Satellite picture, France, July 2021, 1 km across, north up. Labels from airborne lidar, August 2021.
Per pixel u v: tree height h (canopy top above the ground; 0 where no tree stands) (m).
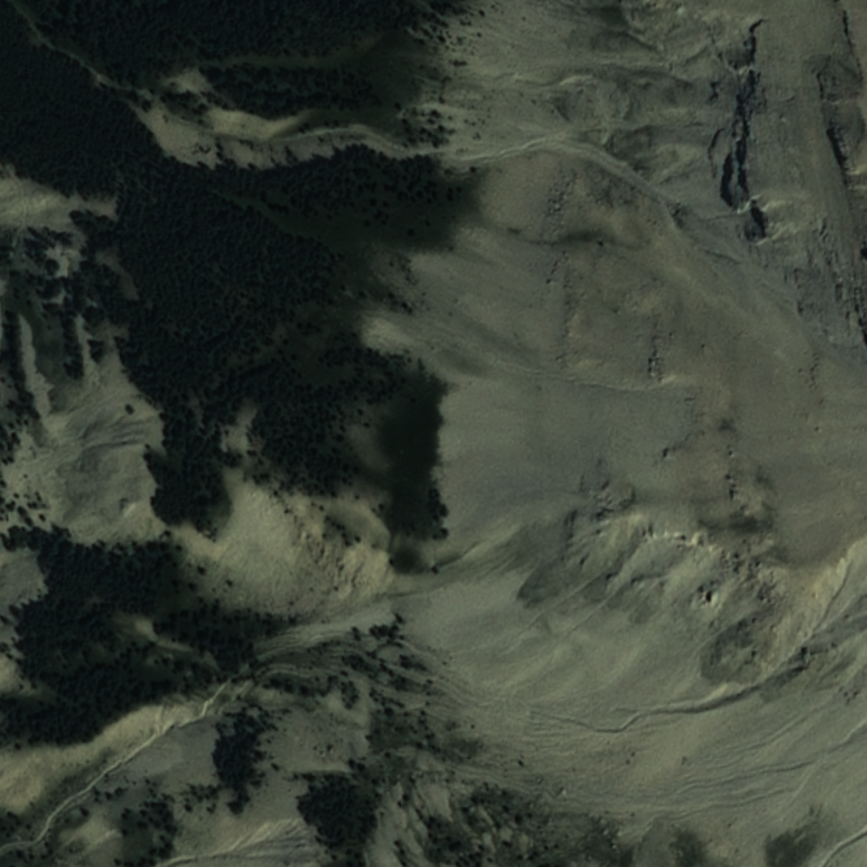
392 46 0
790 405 0
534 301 0
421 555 0
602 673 0
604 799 0
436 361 0
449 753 0
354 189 13
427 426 0
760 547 0
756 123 0
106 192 10
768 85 0
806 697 0
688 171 0
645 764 0
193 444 12
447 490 0
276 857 0
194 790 8
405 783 0
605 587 0
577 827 0
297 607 0
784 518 0
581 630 0
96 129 22
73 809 0
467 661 0
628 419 0
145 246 16
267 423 8
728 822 0
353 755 0
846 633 0
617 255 0
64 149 24
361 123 0
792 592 0
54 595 12
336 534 0
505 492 0
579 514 0
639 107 0
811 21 0
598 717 0
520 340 0
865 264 0
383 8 8
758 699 0
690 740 0
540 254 0
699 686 0
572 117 0
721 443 0
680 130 0
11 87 21
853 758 0
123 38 24
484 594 0
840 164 0
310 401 17
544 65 0
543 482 0
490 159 0
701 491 0
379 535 0
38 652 15
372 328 0
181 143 0
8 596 0
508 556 0
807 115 0
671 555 0
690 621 0
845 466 0
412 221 0
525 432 0
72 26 24
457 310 0
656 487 0
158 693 13
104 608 12
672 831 0
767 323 0
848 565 0
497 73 0
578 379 0
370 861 0
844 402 0
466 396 0
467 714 0
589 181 0
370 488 0
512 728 0
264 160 0
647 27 0
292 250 15
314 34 7
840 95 0
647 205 0
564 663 0
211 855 0
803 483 0
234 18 21
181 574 0
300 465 11
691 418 0
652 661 0
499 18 0
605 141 0
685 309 0
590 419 0
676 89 0
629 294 0
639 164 0
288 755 0
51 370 0
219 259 20
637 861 0
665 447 0
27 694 0
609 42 0
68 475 0
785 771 0
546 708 0
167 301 16
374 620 0
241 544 0
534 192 0
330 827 11
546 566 0
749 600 0
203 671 11
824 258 0
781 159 0
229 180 18
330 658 0
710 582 0
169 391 16
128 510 0
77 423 0
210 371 11
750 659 0
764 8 0
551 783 0
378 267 0
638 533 0
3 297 0
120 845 0
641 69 0
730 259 0
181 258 20
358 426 0
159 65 18
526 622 0
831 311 0
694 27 0
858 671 0
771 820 0
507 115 0
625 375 0
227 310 8
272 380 12
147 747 0
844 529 0
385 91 0
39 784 0
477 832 0
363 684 0
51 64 23
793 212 0
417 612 0
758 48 0
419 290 0
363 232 0
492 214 0
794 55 0
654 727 0
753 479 0
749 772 0
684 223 0
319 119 0
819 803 0
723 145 0
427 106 0
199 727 0
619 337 0
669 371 0
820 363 0
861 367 0
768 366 0
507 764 0
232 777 12
